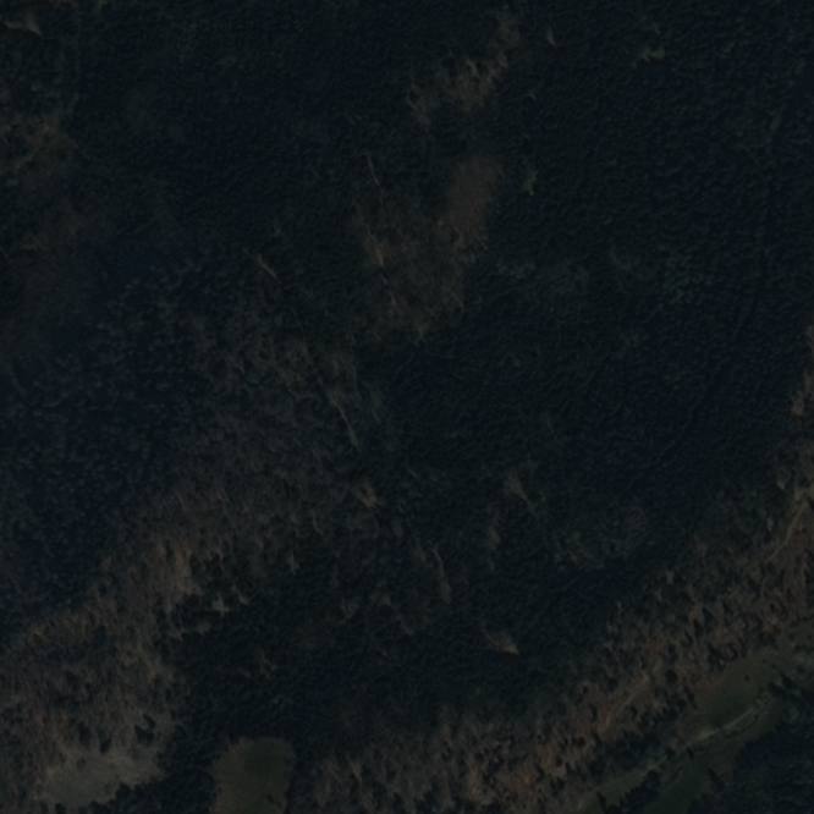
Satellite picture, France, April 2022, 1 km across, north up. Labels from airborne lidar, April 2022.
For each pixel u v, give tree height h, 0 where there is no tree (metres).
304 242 26
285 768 6
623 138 29
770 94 34
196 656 20
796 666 0
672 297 33
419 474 24
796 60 37
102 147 24
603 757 15
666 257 29
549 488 26
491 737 10
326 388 25
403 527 25
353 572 18
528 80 27
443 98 22
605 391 28
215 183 17
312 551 19
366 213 23
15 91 12
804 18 28
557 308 25
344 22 20
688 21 26
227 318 24
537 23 31
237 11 21
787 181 10
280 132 16
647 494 20
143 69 20
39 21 18
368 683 23
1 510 35
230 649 18
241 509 17
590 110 23
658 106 30
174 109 18
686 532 18
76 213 15
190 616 18
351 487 21
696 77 32
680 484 26
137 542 16
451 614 19
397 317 28
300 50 14
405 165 22
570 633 23
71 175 19
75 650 26
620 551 15
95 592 19
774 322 23
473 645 26
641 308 33
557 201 33
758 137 31
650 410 26
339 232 25
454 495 25
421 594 25
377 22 23
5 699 13
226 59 17
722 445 26
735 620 41
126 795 22
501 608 27
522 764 14
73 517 23
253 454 30
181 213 21
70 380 31
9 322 18
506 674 23
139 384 25
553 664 26
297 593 23
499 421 26
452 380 24
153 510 20
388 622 22
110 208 20
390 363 23
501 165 23
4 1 20
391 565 19
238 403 25
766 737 0
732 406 26
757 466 20
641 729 15
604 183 30
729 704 0
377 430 25
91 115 19
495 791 7
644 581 21
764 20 34
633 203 33
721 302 33
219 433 29
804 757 12
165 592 32
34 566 19
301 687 22
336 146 22
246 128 23
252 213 22
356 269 23
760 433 25
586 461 23
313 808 31
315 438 35
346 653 26
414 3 25
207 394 23
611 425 29
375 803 20
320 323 26
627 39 29
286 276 26
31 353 19
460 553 27
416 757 34
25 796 31
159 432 27
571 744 41
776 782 13
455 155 24
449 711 18
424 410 26
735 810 12
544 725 36
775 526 9
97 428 29
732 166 42
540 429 28
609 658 33
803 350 27
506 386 28
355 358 25
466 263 25
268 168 22
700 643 8
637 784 0
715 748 0
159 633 24
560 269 30
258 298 20
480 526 23
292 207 23
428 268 30
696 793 0
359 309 34
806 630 0
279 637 18
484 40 22
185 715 22
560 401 28
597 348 24
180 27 15
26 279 14
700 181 46
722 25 32
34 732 26
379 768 29
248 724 23
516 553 29
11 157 25
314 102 23
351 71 23
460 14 24
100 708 19
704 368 29
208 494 24
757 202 30
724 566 13
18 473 34
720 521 25
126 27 14
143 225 23
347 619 33
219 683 23
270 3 14
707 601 13
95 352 33
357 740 20
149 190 22
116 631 27
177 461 25
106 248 14
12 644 11
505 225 31
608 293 30
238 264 28
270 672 22
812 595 14
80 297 20
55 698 23
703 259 32
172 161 17
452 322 24
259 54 17
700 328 29
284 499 31
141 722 0
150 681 27
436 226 26
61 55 21
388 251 20
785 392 25
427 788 26
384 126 19
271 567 25
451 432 16
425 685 24
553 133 33
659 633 7
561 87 32
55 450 23
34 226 20
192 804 31
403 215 31
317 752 16
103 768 0
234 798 0
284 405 38
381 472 26
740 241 41
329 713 21
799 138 29
